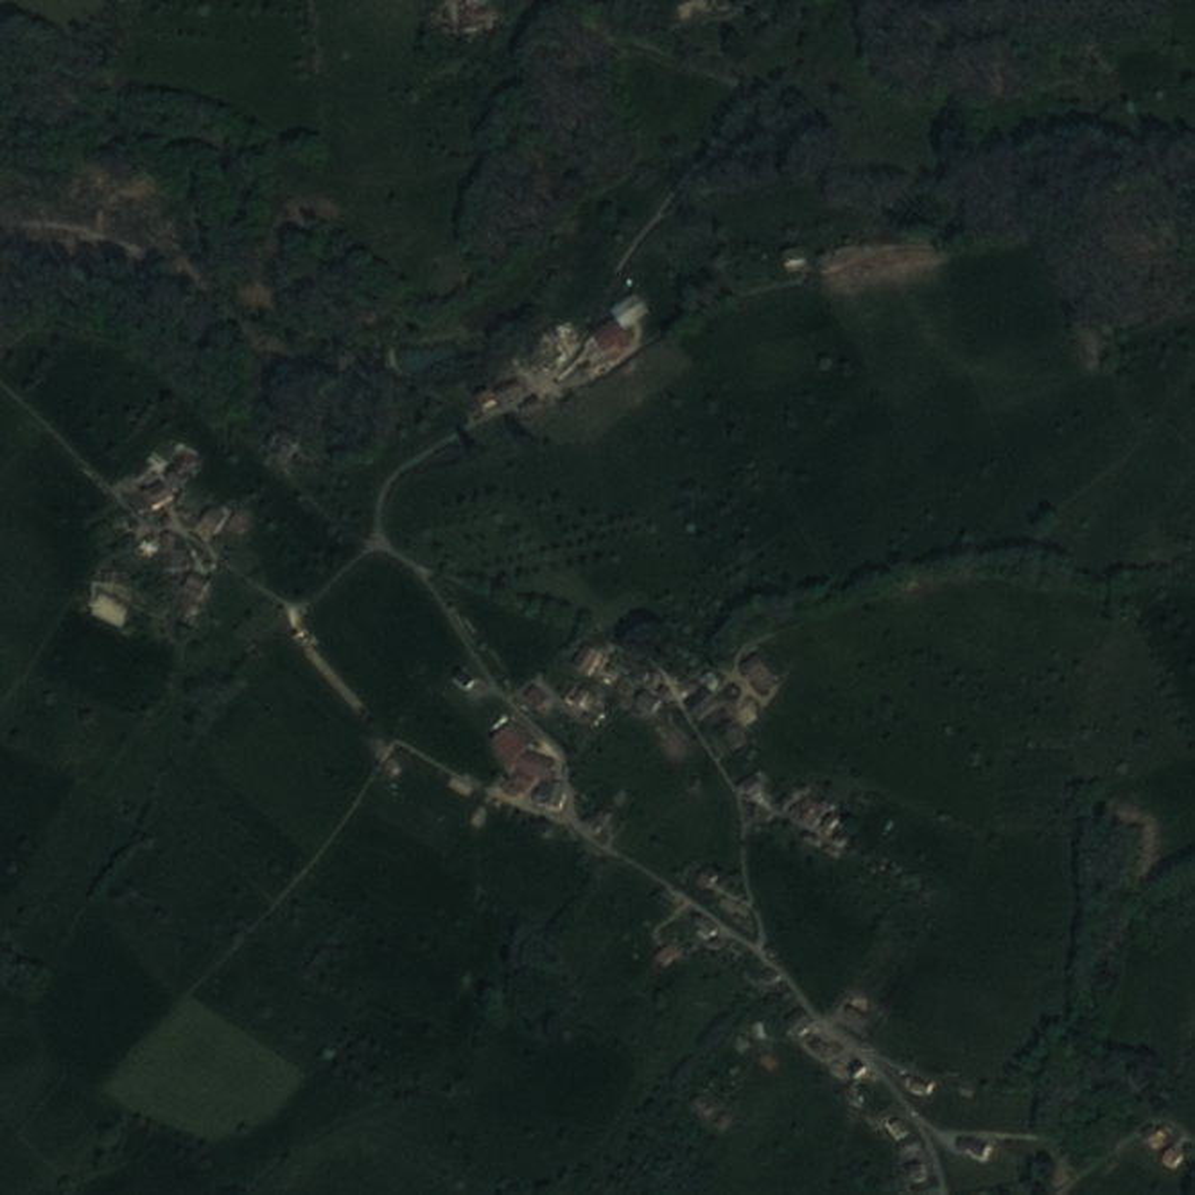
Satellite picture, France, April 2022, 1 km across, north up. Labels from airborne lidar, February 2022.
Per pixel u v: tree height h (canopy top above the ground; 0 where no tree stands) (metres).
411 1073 0
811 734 0
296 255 26
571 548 7
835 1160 0
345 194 0
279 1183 0
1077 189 34
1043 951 0
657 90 0
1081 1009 15
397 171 0
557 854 0
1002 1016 0
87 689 0
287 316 24
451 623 0
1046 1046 25
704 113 0
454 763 0
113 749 0
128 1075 0
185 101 18
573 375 0
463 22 0
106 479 0
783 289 0
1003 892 0
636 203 0
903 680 0
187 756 0
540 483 0
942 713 0
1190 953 0
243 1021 0
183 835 0
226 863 0
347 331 16
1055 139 21
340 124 0
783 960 0
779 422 0
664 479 0
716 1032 11
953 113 19
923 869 0
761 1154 0
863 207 28
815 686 0
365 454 27
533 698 0
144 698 0
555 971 26
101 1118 0
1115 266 35
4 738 0
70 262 35
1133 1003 0
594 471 0
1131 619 7
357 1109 0
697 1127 7
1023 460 0
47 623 0
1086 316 31
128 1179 0
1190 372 0
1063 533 0
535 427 0
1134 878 28
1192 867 22
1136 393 0
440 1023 0
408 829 0
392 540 0
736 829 0
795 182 22
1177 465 0
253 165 20
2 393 0
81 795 0
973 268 0
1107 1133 29
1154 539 0
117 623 0
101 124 29
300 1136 0
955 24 35
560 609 14
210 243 23
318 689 0
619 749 0
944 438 0
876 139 0
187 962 0
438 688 0
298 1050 0
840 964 0
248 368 27
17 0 0
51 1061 0
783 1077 0
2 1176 0
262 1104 0
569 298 0
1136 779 0
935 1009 0
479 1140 0
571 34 35
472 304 18
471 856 0
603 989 0
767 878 0
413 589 0
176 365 30
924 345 0
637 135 19
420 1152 0
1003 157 29
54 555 0
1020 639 0
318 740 0
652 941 0
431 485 0
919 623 0
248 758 0
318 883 0
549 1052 0
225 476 0
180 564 0
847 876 0
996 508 0
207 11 11
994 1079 0
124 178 34
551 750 0
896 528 0
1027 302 0
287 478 0
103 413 0
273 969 0
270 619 0
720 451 0
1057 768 0
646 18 28
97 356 0
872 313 0
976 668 0
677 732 0
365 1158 0
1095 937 26
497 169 30
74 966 0
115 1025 0
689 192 28
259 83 0
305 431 25
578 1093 0
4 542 0
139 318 32
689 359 0
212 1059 0
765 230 0
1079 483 0
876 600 19
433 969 0
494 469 0
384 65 0
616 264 0
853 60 0
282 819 0
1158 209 33
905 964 0
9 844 0
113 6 0
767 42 20
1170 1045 0
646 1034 0
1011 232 30
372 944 0
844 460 0
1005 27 34
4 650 0
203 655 16
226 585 0
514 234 34
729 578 0
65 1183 7
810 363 0
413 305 21
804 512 0
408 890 0
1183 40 0
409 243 0
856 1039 0
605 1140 0
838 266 20
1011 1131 0
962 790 0
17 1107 0
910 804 0
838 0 0
